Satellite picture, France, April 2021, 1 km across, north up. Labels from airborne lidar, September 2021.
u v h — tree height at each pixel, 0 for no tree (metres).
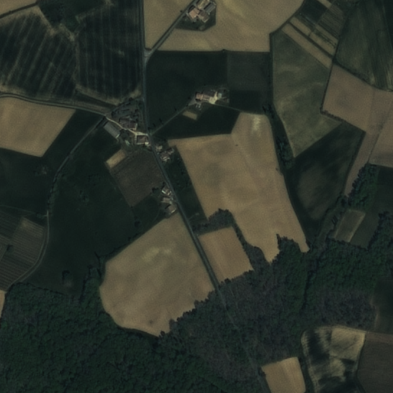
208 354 16
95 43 0
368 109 0
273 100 0
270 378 0
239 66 0
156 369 26
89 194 0
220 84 0
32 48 0
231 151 0
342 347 0
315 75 0
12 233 0
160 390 20
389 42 0
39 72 0
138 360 25
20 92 0
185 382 25
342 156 0
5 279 0
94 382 28
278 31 0
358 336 0
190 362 24
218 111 0
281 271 22
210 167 0
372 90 0
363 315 16
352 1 0
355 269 19
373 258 21
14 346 23
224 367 16
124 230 0
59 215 0
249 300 15
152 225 0
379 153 0
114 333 24
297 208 0
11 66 0
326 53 0
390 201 0
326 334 0
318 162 0
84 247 0
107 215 0
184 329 23
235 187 0
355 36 0
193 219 0
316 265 8
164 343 22
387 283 0
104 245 0
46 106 0
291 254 27
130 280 0
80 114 0
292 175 0
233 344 22
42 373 22
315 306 22
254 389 18
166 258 0
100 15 0
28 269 0
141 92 0
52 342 27
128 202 0
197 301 0
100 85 0
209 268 0
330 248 23
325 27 0
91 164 0
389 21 0
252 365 20
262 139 0
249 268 0
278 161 0
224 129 0
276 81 0
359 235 0
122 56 0
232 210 0
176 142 0
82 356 22
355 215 0
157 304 0
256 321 18
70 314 24
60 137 0
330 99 0
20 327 23
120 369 26
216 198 0
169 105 0
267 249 0
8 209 0
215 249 0
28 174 0
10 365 23
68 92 0
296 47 0
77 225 0
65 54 0
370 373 0
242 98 0
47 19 12
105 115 0
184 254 0
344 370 0
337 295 20
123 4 0
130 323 0
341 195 6
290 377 0
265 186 0
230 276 0
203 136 0
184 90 0
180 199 0
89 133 0
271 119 0
